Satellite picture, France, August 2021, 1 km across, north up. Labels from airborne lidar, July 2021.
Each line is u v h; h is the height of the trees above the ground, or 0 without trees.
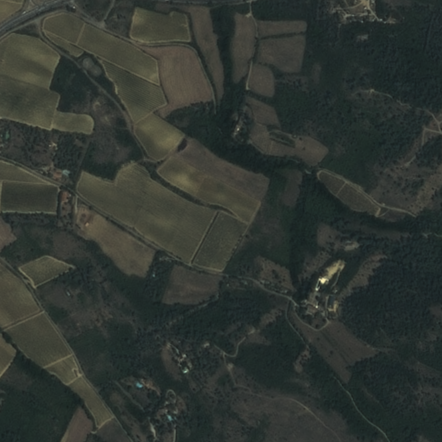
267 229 0
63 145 7
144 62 0
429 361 7
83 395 0
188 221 0
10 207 0
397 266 10
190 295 0
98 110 0
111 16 0
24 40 0
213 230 0
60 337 0
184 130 7
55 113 0
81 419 0
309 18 6
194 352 9
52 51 0
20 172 0
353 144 9
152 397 13
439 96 15
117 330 9
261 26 0
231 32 6
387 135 17
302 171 12
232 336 10
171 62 0
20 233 0
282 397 0
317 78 0
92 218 0
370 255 13
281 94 6
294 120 8
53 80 6
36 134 6
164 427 11
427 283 16
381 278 12
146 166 7
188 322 6
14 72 0
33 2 0
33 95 0
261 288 0
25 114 0
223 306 6
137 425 0
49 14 0
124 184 0
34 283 0
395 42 6
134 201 0
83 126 0
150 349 13
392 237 0
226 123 21
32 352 0
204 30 0
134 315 9
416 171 0
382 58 11
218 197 0
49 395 6
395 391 6
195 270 9
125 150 0
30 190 0
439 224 9
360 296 6
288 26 0
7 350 0
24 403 7
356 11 0
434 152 9
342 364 0
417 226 10
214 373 6
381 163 8
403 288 11
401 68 15
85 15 0
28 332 0
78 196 0
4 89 0
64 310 7
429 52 12
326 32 6
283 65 0
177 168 0
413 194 6
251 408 0
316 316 8
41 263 0
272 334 7
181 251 0
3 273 0
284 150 0
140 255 0
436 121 0
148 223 0
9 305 0
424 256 15
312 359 6
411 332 13
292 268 9
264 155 6
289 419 0
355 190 0
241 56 0
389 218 0
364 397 6
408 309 12
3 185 0
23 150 6
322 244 0
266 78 0
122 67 0
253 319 6
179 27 0
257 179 0
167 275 9
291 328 6
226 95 8
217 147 11
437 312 0
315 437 0
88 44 0
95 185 0
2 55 0
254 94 8
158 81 0
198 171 0
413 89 10
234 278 10
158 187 0
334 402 7
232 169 0
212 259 0
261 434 7
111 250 0
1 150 6
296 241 17
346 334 0
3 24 0
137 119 0
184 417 9
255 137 0
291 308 6
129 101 0
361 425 7
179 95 0
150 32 0
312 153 0
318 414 0
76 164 8
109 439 0
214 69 0
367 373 8
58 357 0
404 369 8
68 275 7
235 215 0
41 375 11
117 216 0
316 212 6
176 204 0
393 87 8
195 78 0
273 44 0
